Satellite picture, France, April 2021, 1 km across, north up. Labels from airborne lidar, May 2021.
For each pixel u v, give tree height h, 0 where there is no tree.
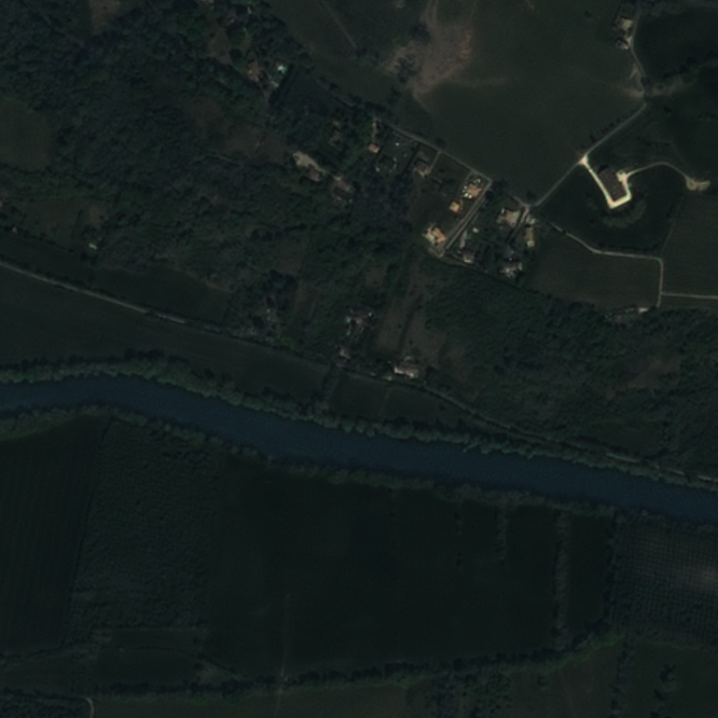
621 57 0
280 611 0
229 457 0
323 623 0
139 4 0
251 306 12
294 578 0
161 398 0
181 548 6
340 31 0
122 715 0
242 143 0
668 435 12
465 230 0
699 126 0
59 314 0
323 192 15
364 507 0
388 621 0
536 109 0
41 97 23
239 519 0
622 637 10
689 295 0
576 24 0
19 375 21
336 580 0
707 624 24
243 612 0
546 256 0
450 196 6
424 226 0
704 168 0
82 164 22
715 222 0
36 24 13
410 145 0
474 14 0
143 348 0
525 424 10
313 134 17
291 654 0
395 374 16
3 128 0
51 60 20
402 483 13
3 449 0
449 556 0
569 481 0
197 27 18
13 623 0
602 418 12
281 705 0
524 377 16
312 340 8
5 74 18
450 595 0
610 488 0
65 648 7
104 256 10
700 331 12
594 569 0
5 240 0
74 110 19
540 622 0
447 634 0
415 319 0
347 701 0
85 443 0
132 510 6
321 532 0
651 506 0
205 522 7
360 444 0
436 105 0
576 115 0
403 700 0
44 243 6
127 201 22
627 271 0
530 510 0
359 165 11
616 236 0
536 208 8
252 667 0
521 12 0
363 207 18
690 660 0
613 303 0
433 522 0
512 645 0
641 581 22
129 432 7
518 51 0
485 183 0
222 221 9
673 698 0
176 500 6
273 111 10
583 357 20
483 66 0
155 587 8
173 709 0
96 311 0
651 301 0
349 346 11
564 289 0
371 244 16
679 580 22
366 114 19
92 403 9
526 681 0
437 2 0
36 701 9
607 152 0
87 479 0
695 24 0
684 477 8
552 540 0
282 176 15
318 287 9
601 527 0
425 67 0
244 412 0
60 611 0
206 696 15
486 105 0
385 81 0
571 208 0
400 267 11
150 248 13
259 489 0
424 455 0
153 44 18
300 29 0
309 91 14
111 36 8
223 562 0
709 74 0
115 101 17
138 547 6
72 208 0
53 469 0
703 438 6
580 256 0
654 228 0
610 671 0
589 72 0
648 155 0
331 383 15
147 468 8
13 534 0
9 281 0
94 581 8
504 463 0
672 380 15
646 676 0
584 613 0
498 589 0
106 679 0
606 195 0
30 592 0
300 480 0
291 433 0
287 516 0
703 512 0
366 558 0
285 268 0
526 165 0
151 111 18
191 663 0
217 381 20
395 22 0
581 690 0
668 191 0
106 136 24
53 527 0
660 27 0
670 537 18
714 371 11
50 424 9
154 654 0
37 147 0
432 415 0
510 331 6
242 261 7
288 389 0
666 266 0
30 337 0
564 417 14
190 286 0
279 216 13
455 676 18
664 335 20
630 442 0
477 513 0
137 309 0
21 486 0
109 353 0
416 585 0
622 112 0
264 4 11
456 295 6
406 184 15
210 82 22
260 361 0
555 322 13
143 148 25
